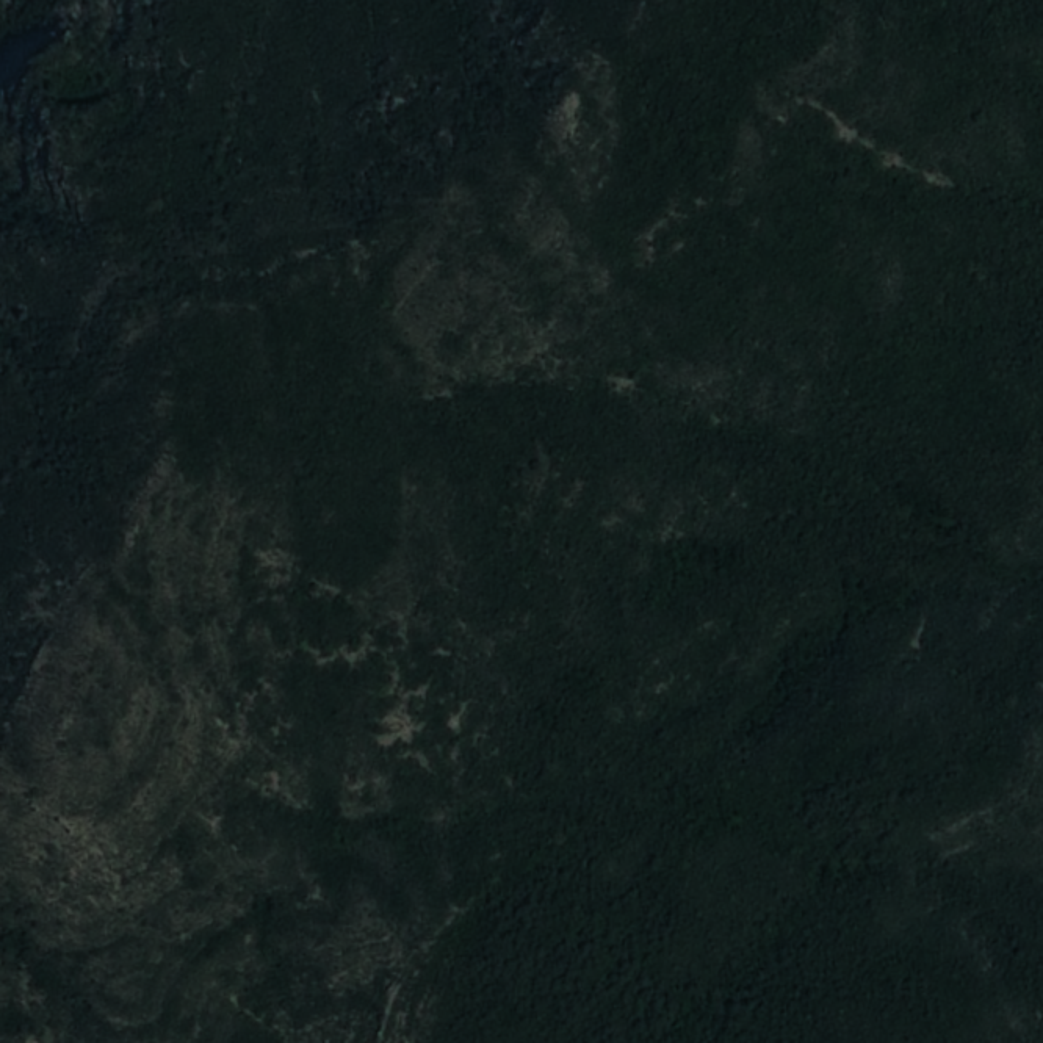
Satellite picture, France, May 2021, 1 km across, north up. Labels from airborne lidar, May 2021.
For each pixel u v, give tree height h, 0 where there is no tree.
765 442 15
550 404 7
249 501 6
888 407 10
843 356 7
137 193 7
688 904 7
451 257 6
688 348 7
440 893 7
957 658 7
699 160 13
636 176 7
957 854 6
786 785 10
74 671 0
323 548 6
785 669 7
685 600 8
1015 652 8
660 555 9
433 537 7
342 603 12
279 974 11
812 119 7
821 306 8
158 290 14
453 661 7
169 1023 6
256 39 6
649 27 5
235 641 5
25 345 13
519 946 21
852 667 8
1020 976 8
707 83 11
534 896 19
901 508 14
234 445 6
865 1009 6
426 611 8
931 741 6
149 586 8
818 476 14
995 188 11
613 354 7
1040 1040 6
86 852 0
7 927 7
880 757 16
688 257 8
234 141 7
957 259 14
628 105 7
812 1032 8
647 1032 11
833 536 14
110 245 7
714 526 8
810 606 9
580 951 17
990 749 13
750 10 10
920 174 10
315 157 9
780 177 7
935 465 8
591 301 7
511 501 7
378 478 7
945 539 17
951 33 7
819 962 6
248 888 7
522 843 7
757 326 8
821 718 7
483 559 9
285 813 7
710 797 10
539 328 9
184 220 8
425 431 7
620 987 15
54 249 9
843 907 7
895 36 7
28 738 0
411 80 5
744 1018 8
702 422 9
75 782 0
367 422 10
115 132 10
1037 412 5
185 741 0
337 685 6
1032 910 7
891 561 14
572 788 9
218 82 6
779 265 6
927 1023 6
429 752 8
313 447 6
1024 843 7
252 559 8
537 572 7
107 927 0
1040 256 6
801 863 6
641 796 7
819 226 7
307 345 7
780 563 13
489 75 9
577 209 5
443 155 8
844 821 7
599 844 13
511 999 16
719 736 9
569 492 7
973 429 7
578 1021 12
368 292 7
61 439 7
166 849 6
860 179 7
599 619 6
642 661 5
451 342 8
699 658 7
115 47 8
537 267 7
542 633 6
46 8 6
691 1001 8
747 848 7
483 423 7
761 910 10
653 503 7
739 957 7
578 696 13
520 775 11
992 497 6
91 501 6
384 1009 6
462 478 7
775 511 13
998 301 8
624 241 7
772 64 10
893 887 7
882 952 9
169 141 9
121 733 0
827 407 7
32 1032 17
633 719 6
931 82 8
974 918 5
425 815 6
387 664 5
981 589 6
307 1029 8
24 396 11
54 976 6
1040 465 6
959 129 9
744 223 8
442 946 7
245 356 6
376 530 9
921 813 6
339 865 8
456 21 8
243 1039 7
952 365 10
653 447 6
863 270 6
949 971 8
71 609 0
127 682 0
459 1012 7
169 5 7
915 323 9
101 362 7
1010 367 8
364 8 8
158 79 9
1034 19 10
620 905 7
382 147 8
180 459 6
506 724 7
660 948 7
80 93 9
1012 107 6
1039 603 9
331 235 7
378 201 7
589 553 9
